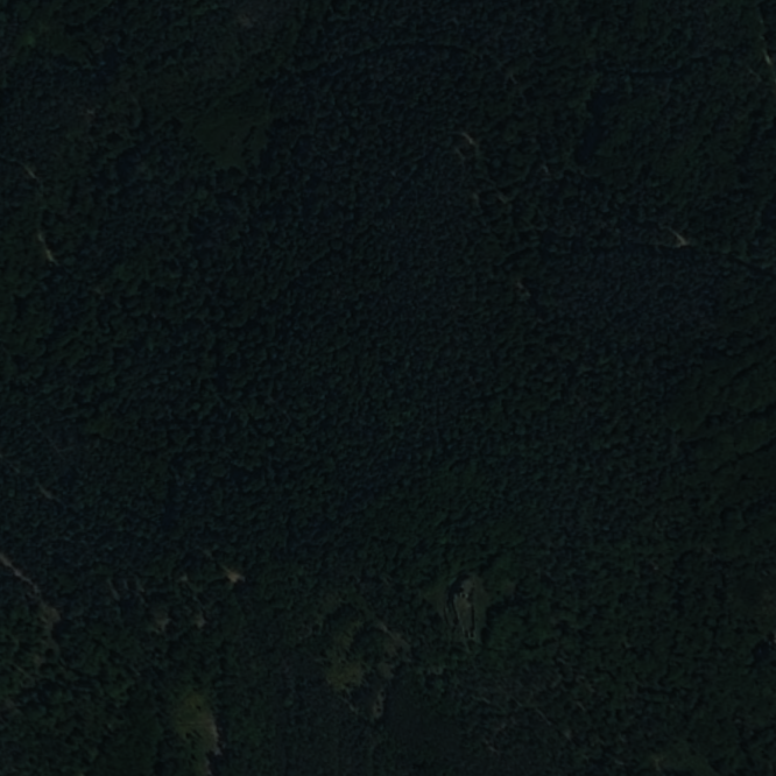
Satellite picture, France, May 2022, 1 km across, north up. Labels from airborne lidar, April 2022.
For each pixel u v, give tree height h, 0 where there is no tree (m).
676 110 20
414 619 22
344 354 34
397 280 30
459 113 28
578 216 36
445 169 26
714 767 36
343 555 29
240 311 33
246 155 6
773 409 33
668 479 30
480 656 22
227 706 30
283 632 21
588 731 28
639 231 29
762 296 31
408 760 28
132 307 35
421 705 18
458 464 31
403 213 29
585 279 39
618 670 27
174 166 33
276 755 15
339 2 31
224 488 28
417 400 31
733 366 32
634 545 32
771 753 34
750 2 24
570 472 30
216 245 31
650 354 30
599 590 31
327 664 10
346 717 21
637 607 30
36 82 32
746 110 10
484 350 29
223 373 35
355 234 26
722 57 17
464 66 31
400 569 28
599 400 30
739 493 20
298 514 31
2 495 26
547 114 28
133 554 30
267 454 26
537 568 29
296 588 27
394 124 33
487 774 21
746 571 32
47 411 26
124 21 30
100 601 24
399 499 26
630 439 30
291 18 19
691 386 32
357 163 33
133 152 42
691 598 30
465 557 9
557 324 31
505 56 26
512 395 31
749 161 37
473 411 30
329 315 31
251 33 21
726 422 31
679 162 22
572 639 31
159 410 31
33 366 32
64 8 31
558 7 19
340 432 30
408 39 18
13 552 32
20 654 28
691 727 35
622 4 26
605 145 33
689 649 29
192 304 27
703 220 21
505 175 33
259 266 31
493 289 34
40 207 12
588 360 32
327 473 30
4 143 28
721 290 31
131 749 17
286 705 25
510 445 25
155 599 24
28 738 10
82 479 28
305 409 29
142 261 33
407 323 28
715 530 36
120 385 37
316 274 27
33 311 32
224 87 21
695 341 30
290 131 16
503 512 31
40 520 28
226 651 27
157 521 12
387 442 31
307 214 32
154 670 9
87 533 28
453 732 18
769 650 35
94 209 36
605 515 31
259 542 28
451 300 29
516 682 24
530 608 30
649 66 26
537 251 6
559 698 25
